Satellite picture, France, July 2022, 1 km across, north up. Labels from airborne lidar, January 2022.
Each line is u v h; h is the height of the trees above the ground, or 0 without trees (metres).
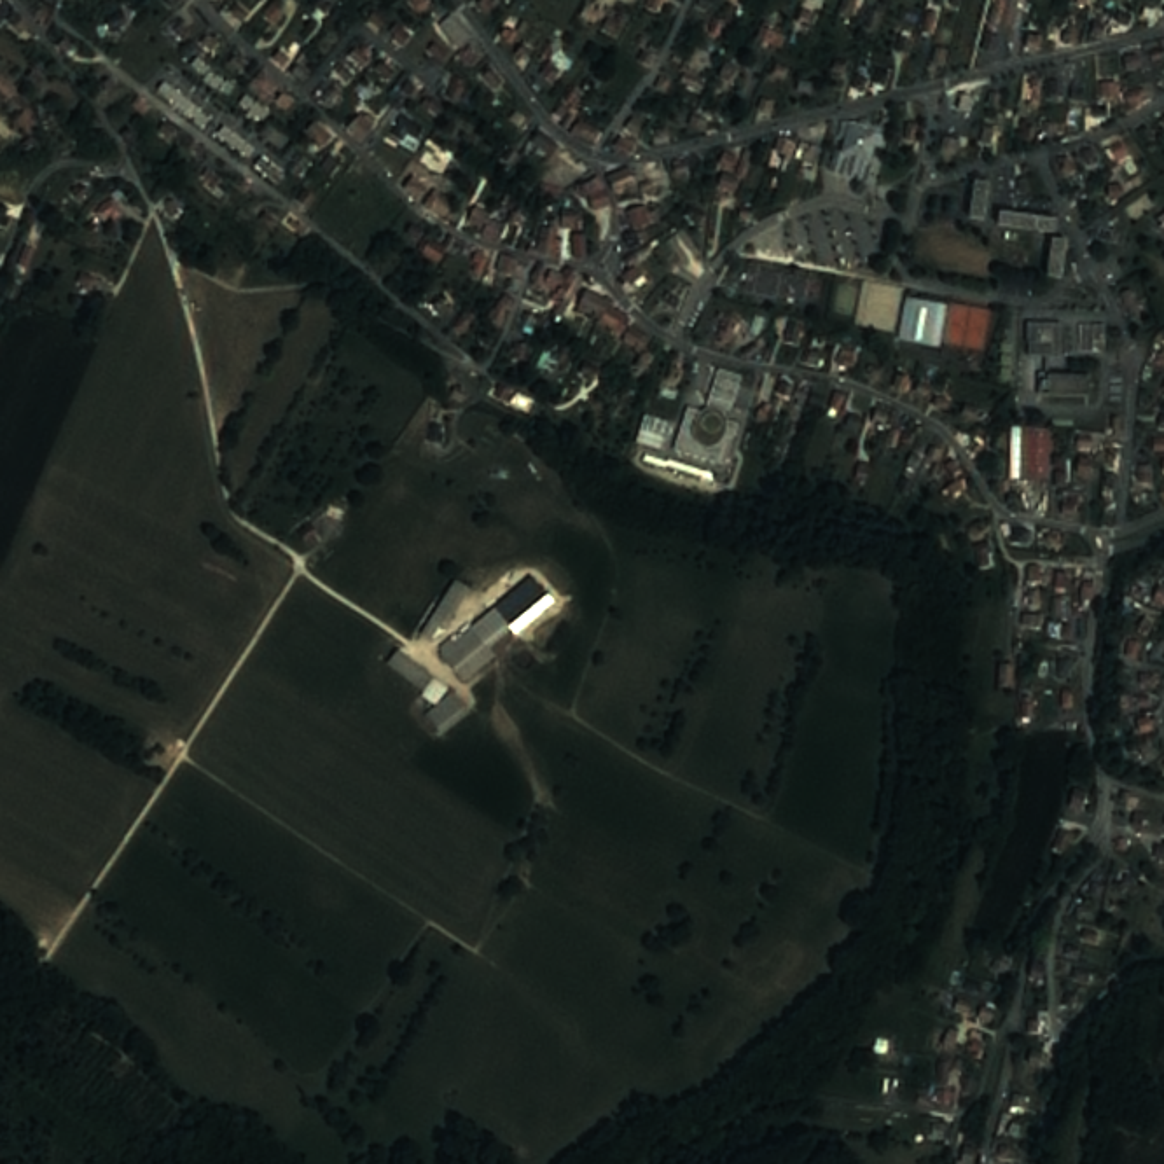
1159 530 0
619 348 0
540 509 0
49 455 0
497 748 0
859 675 0
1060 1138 19
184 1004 0
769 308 14
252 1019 0
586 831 0
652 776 0
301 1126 0
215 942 0
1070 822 0
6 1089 19
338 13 8
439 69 0
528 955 0
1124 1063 15
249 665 0
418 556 0
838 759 0
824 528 12
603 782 0
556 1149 0
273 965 0
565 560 0
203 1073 0
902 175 0
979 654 0
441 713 0
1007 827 15
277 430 12
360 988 0
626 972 0
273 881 0
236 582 0
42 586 0
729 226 0
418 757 0
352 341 0
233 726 0
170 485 0
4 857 0
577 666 0
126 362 0
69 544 0
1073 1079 16
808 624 0
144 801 0
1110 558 0
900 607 14
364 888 0
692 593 0
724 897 0
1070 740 0
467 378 0
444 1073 0
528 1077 0
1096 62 0
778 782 12
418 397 0
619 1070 0
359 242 0
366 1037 17
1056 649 0
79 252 6
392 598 0
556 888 0
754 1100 23
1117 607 10
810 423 10
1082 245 0
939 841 21
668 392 0
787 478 11
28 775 0
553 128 0
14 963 21
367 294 17
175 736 0
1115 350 0
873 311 0
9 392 0
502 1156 22
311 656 0
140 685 9
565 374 0
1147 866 8
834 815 0
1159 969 17
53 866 0
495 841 0
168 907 0
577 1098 0
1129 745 6
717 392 0
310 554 0
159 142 0
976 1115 9
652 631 0
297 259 8
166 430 0
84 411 0
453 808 0
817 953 0
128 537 0
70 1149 0
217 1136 18
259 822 0
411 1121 0
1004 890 0
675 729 10
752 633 0
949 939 0
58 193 0
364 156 0
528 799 0
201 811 0
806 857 0
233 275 0
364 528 0
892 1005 0
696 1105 21
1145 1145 0
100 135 14
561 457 17
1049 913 12
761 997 0
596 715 0
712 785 0
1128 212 0
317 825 0
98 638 0
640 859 0
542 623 0
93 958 0
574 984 0
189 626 0
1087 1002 0
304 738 0
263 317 0
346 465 6
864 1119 0
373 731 0
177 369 0
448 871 0
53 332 0
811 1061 26
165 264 0
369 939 0
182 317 0
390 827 0
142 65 0
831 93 0
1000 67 0
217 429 0
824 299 0
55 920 0
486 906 0
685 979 0
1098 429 0
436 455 0
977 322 0
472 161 20
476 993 0
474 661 0
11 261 9
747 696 0
